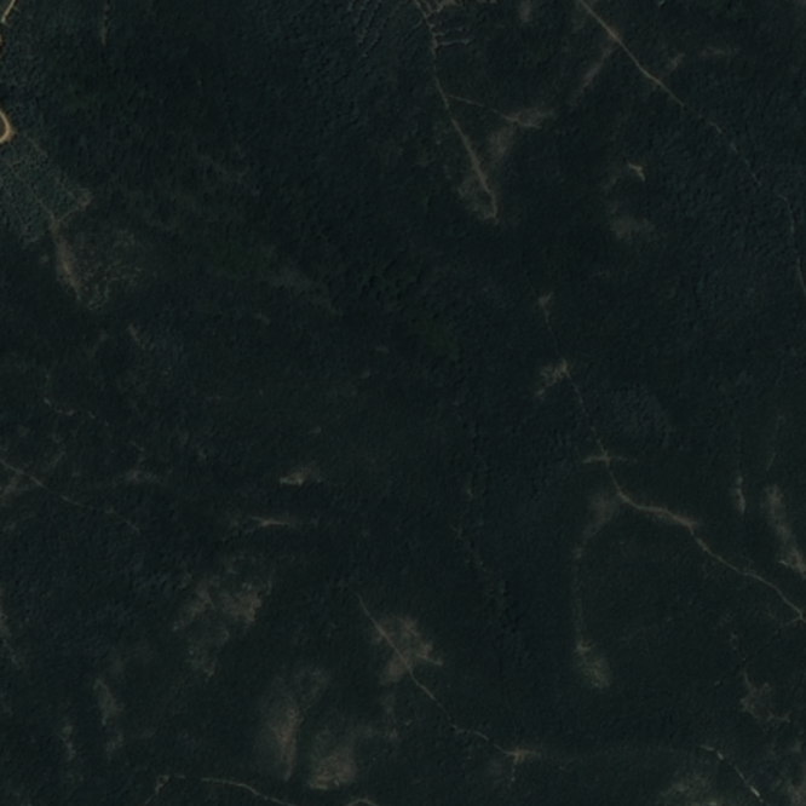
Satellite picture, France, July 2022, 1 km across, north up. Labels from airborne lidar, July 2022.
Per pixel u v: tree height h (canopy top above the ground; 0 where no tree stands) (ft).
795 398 25
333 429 28
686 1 57
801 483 20
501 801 19
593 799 32
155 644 19
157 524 48
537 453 33
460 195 18
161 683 29
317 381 24
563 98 38
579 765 25
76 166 30
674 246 28
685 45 24
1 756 57
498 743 40
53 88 56
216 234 24
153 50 49
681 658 32
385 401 32
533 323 25
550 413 35
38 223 43
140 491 24
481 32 22
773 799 28
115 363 40
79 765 23
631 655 25
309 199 28
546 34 29
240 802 22
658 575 31
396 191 22
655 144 65
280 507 29
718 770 25
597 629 27
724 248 66
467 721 26
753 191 64
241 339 35
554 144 52
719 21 45
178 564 63
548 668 40
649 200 39
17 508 22
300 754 22
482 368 37
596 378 31
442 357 37
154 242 24
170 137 42
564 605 33
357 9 45
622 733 36
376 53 48
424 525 47
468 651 36
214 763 31
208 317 22
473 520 36
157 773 26
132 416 37
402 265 63
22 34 56
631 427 71
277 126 38
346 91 48
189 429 36
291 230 33
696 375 48
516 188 28
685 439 52
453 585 42
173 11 34
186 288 33
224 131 62
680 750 22
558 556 23
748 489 27
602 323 45
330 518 27
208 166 23
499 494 30
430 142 37
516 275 35
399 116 26
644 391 73
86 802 36
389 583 18
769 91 36
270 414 32
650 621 21
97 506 25
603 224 40
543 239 39
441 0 37
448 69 21
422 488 36
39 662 31
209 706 38
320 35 31
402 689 25
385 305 50
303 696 21
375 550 36
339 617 39
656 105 28
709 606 28
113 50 58
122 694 19
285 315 36
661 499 24
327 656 27
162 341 55
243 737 24
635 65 29
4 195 52
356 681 33
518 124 21
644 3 29
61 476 19
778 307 25
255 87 32
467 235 41
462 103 22
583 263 45
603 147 24
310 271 58
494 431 43
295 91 26
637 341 44
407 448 35
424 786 22
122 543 50
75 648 35
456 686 26
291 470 22
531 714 34
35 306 56
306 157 37
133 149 37
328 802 24
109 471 19
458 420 49
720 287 57
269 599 25
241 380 31
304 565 26
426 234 32
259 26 47
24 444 24
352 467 23
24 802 21
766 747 28
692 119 59
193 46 51
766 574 23
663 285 33
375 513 41
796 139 33
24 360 38
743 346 26
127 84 68
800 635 19
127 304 25
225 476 54
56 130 47
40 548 31
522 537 38
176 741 38
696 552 25
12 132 0
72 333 30
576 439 25
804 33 23
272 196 61
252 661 30
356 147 35
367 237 53
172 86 57
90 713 34
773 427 18
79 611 39
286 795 26
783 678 24
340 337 36
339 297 42
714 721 29
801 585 31
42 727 42
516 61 30
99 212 20
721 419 28
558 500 22
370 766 37
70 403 28
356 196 38
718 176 47
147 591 56
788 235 45
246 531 36
